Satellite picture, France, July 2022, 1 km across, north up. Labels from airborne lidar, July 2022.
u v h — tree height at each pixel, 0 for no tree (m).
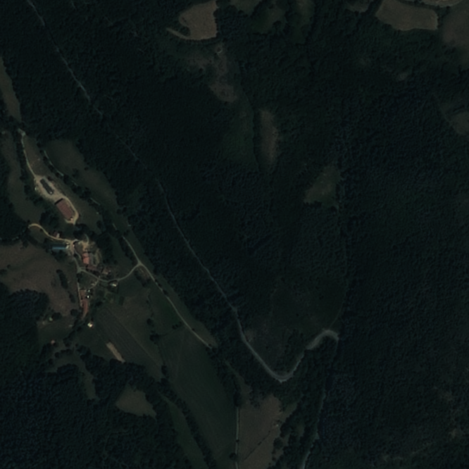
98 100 22
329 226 30
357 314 16
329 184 0
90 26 19
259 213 10
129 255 11
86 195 16
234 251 24
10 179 0
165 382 21
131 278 0
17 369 22
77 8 14
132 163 27
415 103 10
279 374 7
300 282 15
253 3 0
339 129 25
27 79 20
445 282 10
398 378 10
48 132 9
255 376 13
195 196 22
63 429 14
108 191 0
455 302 6
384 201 17
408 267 18
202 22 0
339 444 16
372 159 22
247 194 20
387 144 7
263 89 9
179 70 16
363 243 24
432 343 7
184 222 20
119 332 0
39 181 0
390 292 9
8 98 0
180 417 0
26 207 0
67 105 20
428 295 13
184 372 0
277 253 28
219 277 29
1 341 20
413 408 7
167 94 21
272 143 0
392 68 16
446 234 15
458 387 13
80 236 19
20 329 25
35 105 14
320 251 26
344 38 12
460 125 0
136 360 0
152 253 8
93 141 18
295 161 19
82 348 16
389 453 17
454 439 7
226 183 18
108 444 6
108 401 20
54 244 0
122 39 19
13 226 12
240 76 7
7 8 24
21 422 16
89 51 12
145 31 9
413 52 8
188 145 23
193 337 0
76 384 19
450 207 8
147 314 0
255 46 21
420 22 0
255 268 24
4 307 17
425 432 14
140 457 7
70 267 0
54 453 11
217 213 21
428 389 12
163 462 11
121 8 16
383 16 0
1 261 0
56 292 0
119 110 18
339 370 22
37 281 0
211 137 20
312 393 26
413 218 16
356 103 27
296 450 11
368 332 10
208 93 18
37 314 13
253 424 0
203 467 0
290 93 14
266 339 0
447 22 0
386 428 11
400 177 20
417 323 16
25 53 27
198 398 0
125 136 16
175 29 7
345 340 8
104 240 7
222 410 0
